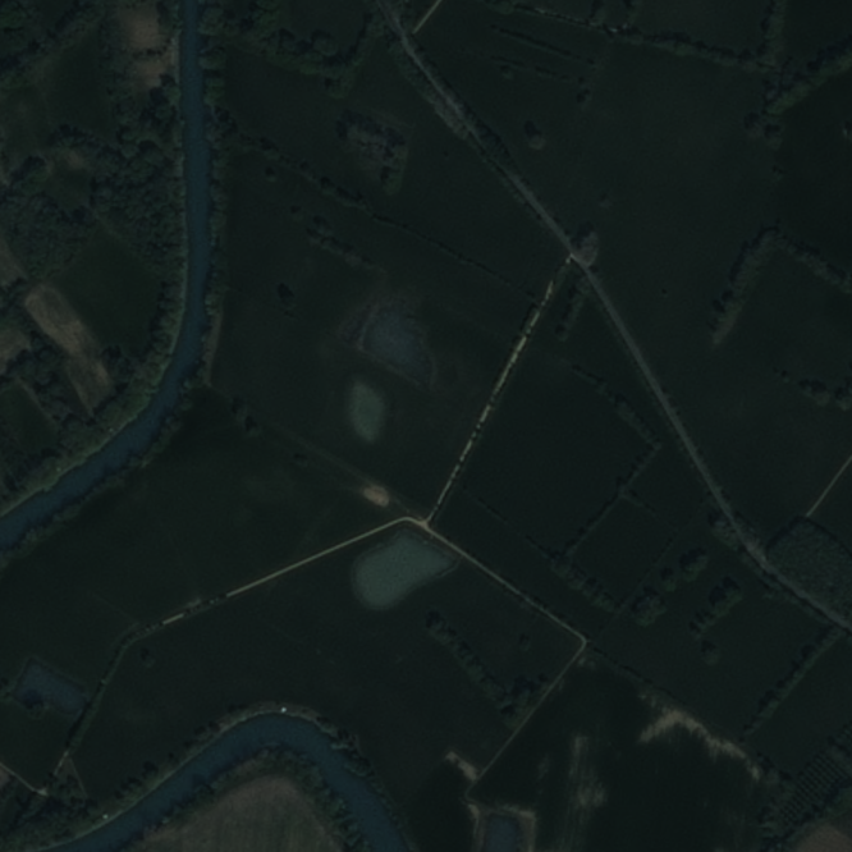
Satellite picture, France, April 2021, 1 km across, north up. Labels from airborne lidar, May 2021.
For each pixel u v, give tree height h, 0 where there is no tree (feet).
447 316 0
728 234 0
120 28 53
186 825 0
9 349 0
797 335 0
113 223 65
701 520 0
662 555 19
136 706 0
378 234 0
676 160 0
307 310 0
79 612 0
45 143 0
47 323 0
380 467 0
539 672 0
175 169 68
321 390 0
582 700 0
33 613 0
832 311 0
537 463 0
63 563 0
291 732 0
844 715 0
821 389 44
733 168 0
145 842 36
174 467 0
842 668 0
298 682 0
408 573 0
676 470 0
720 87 0
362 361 0
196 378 56
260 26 59
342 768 0
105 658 0
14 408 0
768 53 51
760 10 0
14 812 0
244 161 0
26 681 0
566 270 31
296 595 0
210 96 48
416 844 0
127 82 70
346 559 0
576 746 0
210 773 0
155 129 62
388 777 0
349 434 0
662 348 0
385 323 0
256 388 0
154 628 18
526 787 0
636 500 37
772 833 40
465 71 0
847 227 0
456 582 0
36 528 41
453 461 0
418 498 0
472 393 0
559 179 0
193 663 0
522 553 0
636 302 0
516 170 43
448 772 0
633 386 0
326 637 0
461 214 0
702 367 0
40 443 0
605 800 0
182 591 0
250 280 0
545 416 0
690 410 0
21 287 30
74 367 0
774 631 0
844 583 53
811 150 0
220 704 0
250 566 0
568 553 31
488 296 0
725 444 0
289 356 0
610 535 0
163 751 0
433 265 0
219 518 0
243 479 0
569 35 0
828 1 0
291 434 0
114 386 0
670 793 0
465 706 0
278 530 0
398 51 66
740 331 0
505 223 0
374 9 44
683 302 0
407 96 0
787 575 44
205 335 57
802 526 50
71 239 60
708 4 0
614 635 0
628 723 0
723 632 0
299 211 33
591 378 25
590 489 0
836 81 0
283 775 0
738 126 0
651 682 21
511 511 0
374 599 0
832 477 0
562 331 36
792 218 0
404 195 0
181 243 34
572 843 0
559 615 28
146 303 0
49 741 0
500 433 0
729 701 0
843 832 0
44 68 43
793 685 29
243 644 0
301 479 0
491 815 0
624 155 0
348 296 0
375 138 96
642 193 0
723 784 0
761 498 0
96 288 0
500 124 0
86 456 25
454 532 0
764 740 0
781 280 0
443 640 48
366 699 0
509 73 44
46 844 20
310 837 0
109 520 0
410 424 0
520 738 0
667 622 0
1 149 67
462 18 0
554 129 0
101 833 0
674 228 0
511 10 37
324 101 0
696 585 0
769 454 0
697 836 0
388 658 0
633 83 0
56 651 0
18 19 68
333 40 42
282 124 0
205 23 68
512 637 0
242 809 0
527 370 0
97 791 0
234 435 0
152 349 44
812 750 0
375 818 0
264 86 0
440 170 0
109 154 53
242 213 0
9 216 59
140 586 0
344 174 0
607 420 0
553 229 0
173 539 0
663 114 0
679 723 0
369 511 0
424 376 0
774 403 0
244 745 0
